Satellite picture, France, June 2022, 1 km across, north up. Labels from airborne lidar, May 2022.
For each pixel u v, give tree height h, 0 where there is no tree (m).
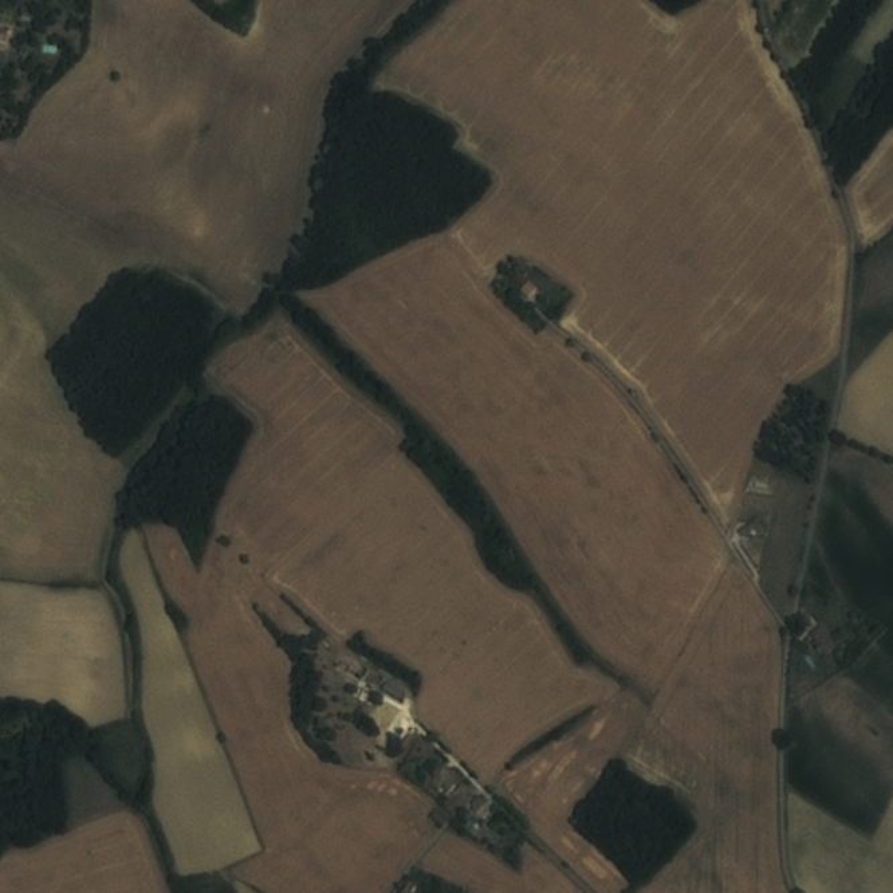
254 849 0
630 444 0
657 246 0
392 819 0
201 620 0
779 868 0
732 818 0
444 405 0
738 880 0
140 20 0
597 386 0
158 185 0
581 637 0
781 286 0
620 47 0
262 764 0
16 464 0
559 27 0
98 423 20
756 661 0
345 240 15
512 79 0
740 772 0
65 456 0
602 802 16
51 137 0
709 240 0
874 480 0
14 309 0
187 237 0
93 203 0
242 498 0
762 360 0
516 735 0
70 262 0
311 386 0
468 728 0
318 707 19
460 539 0
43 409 0
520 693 0
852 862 0
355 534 0
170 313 18
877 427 0
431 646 0
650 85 0
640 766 0
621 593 0
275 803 0
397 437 0
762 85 0
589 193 0
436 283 0
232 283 0
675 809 10
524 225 0
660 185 0
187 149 0
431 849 0
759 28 10
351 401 0
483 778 0
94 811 0
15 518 0
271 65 0
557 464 0
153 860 0
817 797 0
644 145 0
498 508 0
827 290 0
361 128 19
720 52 0
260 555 0
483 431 0
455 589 0
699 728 0
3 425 0
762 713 0
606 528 0
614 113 0
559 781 0
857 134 13
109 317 14
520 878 0
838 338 0
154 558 0
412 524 0
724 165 0
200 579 0
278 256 0
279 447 0
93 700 0
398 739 6
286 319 0
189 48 0
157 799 0
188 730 0
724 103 0
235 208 0
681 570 0
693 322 0
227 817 0
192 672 0
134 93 0
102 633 0
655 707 0
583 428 0
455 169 16
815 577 0
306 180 0
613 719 0
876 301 0
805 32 0
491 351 0
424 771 6
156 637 0
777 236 0
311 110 0
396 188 16
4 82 18
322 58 0
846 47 9
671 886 0
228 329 17
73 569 0
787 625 10
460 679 0
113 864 0
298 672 16
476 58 0
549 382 0
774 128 0
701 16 0
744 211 0
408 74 0
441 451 7
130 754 0
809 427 18
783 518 0
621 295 0
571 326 0
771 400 0
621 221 0
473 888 0
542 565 0
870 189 0
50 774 18
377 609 0
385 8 0
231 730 0
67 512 0
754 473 0
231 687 0
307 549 0
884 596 0
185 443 20
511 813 8
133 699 0
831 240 0
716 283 0
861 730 0
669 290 0
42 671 0
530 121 0
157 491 25
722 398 0
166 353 24
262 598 0
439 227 14
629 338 0
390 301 0
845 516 0
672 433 0
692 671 0
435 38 0
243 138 0
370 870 0
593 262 0
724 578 0
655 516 0
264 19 0
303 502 0
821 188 0
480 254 0
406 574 0
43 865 0
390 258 0
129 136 0
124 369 19
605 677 0
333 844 0
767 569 0
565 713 0
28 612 0
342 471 0
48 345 0
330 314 0
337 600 0
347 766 0
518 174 0
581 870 0
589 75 0
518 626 0
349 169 17
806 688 0
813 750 0
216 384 0
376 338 0
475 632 0
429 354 0
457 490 6
